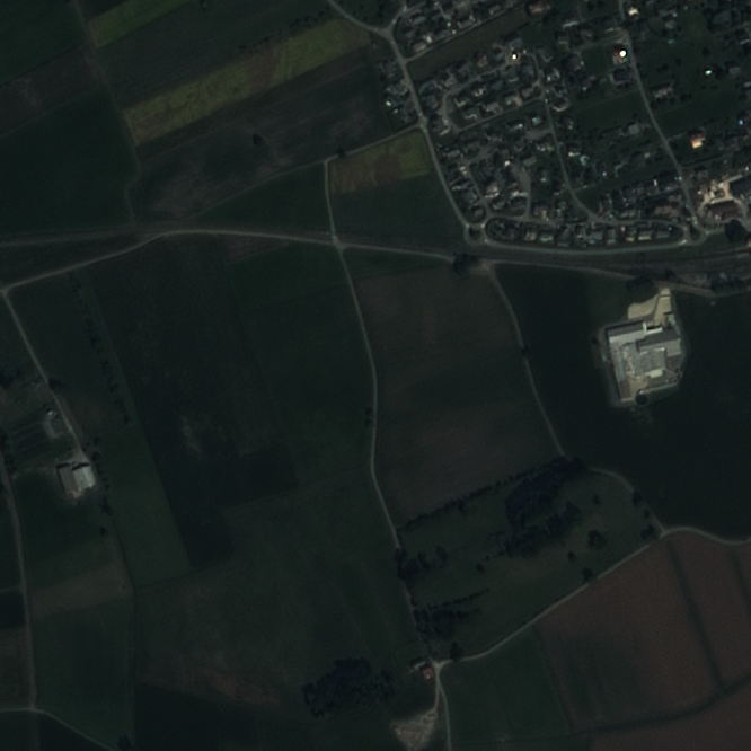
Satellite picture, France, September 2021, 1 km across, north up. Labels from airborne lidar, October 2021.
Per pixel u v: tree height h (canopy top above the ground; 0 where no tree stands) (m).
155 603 0
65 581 0
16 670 0
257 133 0
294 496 0
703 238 0
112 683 0
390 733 0
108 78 0
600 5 8
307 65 0
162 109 0
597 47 0
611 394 0
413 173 0
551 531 16
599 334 0
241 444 0
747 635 0
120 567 0
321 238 0
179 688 0
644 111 0
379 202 0
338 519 0
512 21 0
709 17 8
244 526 0
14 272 0
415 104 0
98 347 7
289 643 0
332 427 0
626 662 0
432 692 0
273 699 0
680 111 0
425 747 0
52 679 0
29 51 0
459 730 0
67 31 0
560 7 0
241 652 0
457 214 0
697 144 0
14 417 0
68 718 0
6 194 0
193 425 0
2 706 0
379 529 0
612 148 6
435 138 0
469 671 0
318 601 0
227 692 0
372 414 10
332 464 0
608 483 0
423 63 0
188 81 0
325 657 0
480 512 0
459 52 0
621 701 0
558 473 17
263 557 0
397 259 0
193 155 0
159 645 0
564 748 0
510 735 0
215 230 0
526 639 0
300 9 0
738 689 0
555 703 0
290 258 0
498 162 8
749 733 0
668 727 0
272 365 0
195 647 0
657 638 0
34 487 0
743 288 12
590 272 0
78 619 0
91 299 0
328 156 0
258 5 0
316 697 19
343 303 0
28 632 0
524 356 9
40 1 0
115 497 0
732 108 0
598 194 0
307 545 0
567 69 7
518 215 0
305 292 0
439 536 0
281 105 0
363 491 0
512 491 0
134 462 0
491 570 0
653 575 0
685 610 0
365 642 0
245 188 0
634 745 0
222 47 0
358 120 0
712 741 0
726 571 0
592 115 0
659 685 0
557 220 0
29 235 0
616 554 0
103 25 0
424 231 0
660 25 0
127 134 0
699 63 0
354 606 0
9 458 8
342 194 0
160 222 0
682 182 0
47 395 0
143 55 0
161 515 0
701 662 0
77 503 0
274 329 0
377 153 0
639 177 0
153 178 0
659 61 0
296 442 0
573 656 0
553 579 0
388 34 0
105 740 0
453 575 0
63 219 0
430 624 20
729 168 0
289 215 0
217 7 0
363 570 0
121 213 0
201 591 0
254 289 0
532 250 0
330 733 0
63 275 0
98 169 0
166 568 0
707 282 0
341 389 0
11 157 0
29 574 0
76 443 0
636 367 0
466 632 0
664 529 0
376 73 0
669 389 0
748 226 0
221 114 0
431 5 10
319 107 0
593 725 0
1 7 0
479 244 0
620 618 0
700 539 0
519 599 0
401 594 0
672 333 0
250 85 0
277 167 0
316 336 0
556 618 0
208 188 0
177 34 0
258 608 0
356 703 23
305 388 0
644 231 0
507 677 0
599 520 0
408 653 0
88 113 0
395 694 16
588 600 0
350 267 0
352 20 0
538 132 0
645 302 0
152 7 0
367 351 0
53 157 0
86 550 0
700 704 0
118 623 0
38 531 0
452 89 0
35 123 0
